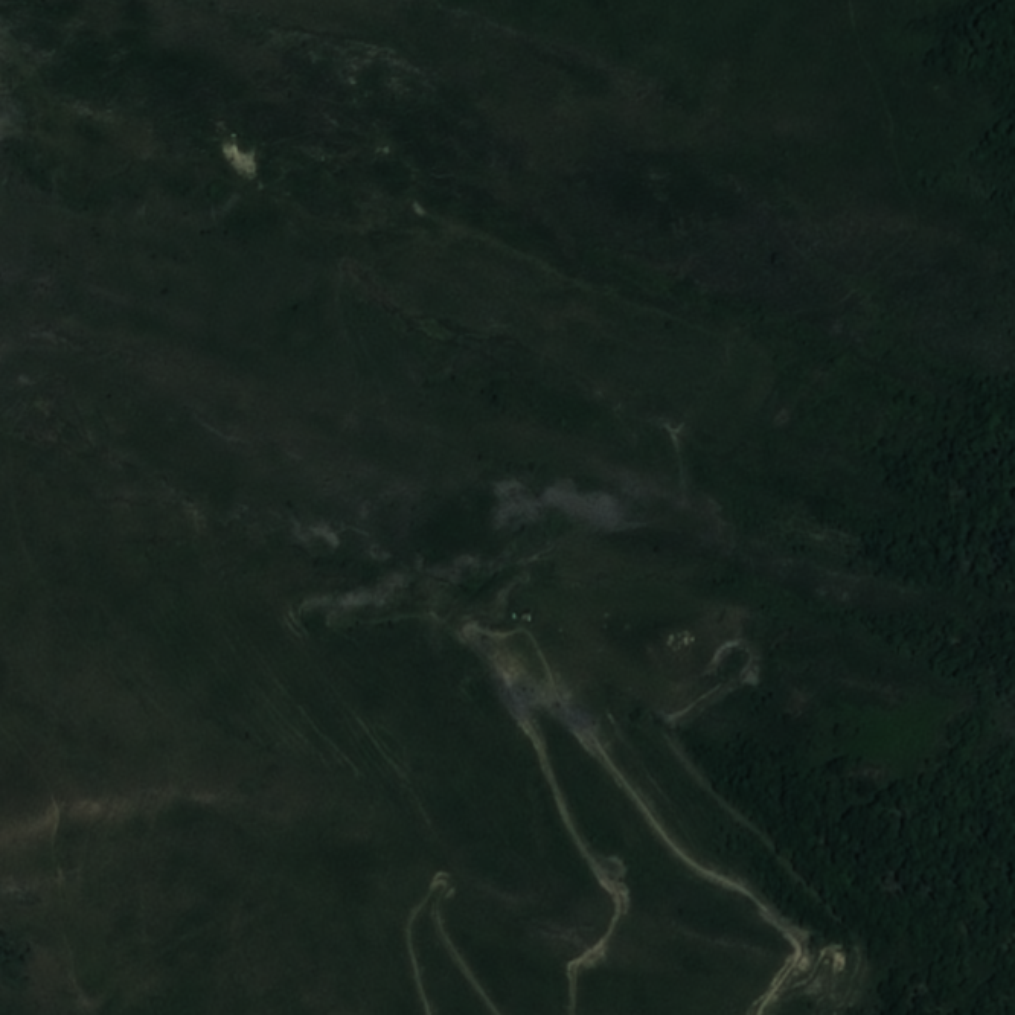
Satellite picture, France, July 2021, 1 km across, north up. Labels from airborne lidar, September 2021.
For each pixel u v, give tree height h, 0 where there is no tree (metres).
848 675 0
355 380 0
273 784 0
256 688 0
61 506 0
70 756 0
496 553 0
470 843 0
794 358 0
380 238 0
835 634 0
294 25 0
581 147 0
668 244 0
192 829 0
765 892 8
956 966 12
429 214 0
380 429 0
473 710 0
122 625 0
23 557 0
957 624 12
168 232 0
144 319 0
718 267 0
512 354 0
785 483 9
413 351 0
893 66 0
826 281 0
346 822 0
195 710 0
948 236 0
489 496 0
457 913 0
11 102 0
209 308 0
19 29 0
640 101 0
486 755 0
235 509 0
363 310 0
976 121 0
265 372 0
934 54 11
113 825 0
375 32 0
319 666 0
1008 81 11
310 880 0
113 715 0
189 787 0
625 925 0
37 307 0
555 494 0
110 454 0
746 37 0
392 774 0
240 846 0
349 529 0
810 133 0
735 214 0
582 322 0
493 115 0
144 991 0
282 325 0
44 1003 0
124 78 0
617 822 0
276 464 0
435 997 0
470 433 0
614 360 0
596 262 6
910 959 0
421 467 0
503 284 0
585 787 0
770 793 15
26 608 0
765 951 0
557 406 0
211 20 0
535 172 0
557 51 0
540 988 0
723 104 0
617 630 0
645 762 0
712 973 0
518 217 0
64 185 0
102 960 0
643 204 0
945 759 9
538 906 0
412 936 0
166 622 0
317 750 0
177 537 0
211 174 0
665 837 0
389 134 0
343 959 0
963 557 17
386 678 0
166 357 0
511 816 0
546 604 0
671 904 0
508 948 0
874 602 0
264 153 0
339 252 0
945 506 7
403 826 0
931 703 0
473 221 0
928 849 18
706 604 0
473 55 0
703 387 0
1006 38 15
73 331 0
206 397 0
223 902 0
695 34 0
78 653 0
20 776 0
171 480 0
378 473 0
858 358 0
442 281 0
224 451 0
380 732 0
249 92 0
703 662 0
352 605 0
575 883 0
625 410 0
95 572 0
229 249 0
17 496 0
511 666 0
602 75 0
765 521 7
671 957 0
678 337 0
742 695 0
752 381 0
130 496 0
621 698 0
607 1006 0
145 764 0
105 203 0
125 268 0
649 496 0
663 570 0
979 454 15
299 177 0
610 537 0
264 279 0
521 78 0
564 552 0
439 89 0
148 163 0
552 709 0
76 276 0
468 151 0
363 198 0
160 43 0
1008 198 11
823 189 0
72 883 0
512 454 0
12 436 0
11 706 0
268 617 0
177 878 0
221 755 0
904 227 0
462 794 0
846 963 0
